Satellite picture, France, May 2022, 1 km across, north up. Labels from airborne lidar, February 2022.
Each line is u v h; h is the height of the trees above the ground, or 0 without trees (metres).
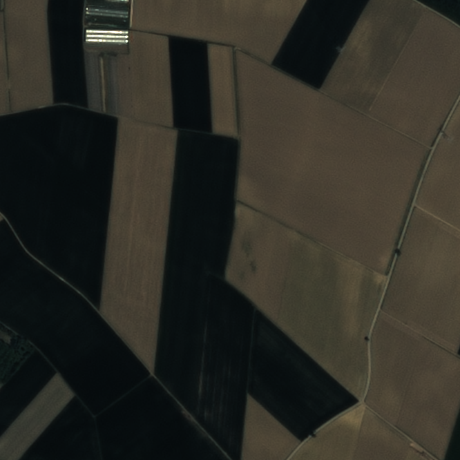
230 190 0
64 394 0
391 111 0
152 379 0
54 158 0
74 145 0
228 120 0
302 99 0
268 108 0
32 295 0
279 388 0
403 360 0
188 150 0
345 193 0
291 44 0
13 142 0
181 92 0
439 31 0
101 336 0
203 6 0
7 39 0
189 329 0
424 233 0
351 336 0
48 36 0
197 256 0
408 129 0
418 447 0
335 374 0
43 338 0
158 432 0
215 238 0
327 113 0
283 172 0
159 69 0
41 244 0
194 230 0
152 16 0
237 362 0
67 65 0
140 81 0
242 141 0
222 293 0
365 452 0
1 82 0
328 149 0
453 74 0
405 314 0
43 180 0
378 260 0
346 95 0
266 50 0
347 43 0
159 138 0
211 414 0
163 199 0
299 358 0
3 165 0
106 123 0
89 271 0
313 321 0
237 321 0
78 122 0
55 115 0
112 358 0
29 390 0
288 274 0
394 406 0
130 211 0
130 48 0
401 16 0
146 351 0
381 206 0
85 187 0
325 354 0
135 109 0
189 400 0
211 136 0
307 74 0
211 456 0
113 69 0
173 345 0
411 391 0
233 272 0
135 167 0
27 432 0
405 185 0
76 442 0
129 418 0
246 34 0
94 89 0
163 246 0
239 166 0
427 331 0
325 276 0
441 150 0
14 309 0
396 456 0
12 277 0
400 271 0
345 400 0
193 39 0
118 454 0
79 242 0
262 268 0
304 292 0
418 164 0
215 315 0
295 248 0
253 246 0
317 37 0
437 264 0
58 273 0
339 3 0
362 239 0
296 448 0
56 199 0
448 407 0
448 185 0
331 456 0
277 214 0
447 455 0
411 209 0
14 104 0
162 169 0
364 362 0
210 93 0
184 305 0
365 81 0
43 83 0
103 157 0
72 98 0
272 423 0
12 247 0
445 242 0
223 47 0
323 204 0
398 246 0
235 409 0
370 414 0
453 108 0
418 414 0
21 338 11
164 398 0
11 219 0
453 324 0
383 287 0
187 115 0
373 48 0
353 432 0
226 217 0
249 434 0
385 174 0
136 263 0
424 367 0
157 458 0
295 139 0
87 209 0
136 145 0
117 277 0
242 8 0
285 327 0
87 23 0
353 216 0
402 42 0
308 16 0
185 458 0
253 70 0
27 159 0
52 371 0
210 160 0
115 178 0
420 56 0
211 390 0
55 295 0
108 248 0
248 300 0
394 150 0
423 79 0
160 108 0
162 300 0
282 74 0
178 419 0
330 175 0
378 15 0
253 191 0
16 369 10
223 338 0
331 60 0
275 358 0
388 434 0
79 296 0
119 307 0
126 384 0
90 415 0
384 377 0
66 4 0
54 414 0
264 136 0
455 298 0
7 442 0
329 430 0
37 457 0
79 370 0
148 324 0
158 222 0
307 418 0
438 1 27
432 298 0
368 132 0
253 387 0
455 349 0
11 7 0
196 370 0
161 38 0
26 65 0
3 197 0
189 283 0
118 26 0
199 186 0
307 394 0
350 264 0
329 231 0
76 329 0
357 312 0
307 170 0
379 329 0
